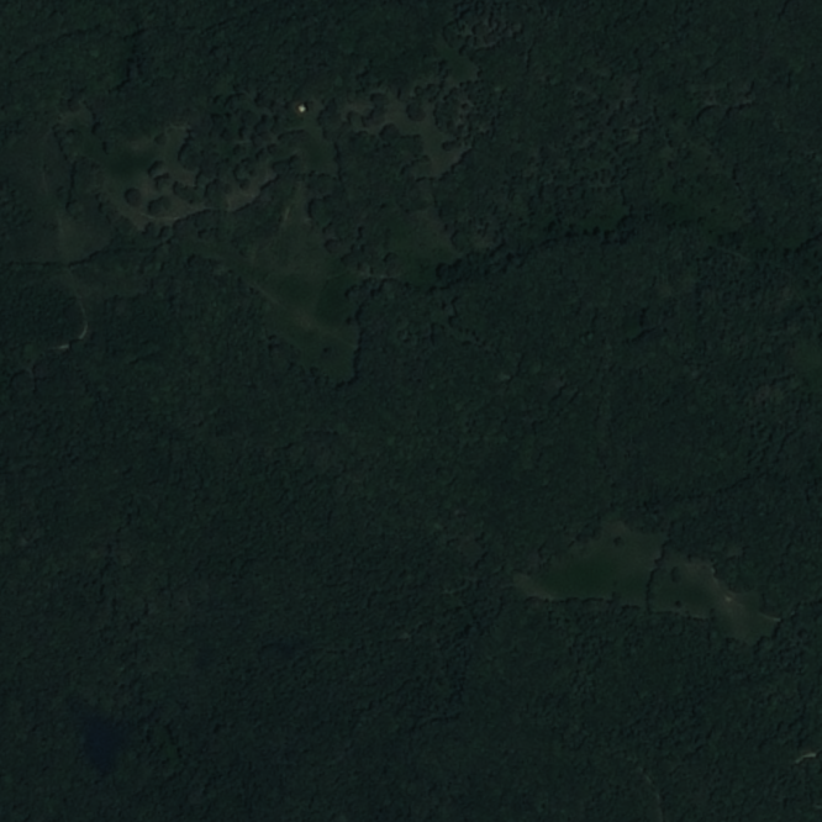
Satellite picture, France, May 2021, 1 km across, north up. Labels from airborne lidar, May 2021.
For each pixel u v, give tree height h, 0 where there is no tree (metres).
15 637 16
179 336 9
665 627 9
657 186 12
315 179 14
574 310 12
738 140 13
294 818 12
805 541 13
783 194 12
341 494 10
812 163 11
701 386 11
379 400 15
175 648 18
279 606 13
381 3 14
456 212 10
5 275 5
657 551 0
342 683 11
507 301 14
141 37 17
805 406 11
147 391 12
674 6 9
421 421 11
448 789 18
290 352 13
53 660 13
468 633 13
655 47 8
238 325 14
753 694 9
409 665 10
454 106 10
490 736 13
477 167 17
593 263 20
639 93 12
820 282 6
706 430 14
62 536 12
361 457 11
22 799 11
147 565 11
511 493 15
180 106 15
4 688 14
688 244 9
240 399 17
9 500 6
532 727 13
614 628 10
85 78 13
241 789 10
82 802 12
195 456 9
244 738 16
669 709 13
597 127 12
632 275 12
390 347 15
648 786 9
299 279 0
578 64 11
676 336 12
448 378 12
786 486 14
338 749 12
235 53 15
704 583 0
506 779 15
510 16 12
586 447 13
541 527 12
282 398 20
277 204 12
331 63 18
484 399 11
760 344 7
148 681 14
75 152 14
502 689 18
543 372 10
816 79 14
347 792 10
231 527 7
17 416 7
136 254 15
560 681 11
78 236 0
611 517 13
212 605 13
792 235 12
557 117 14
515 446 11
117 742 16
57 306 6
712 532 14
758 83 13
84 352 11
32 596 11
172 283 17
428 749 17
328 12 13
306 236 0
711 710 13
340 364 0
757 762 12
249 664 9
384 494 10
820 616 14
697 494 12
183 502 9
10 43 17
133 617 17
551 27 12
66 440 11
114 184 0
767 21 13
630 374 9
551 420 11
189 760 17
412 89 10
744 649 14
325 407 17
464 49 9
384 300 15
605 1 9
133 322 7
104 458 12
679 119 15
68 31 10
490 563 12
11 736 12
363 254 14
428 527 11
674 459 8
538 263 13
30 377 11
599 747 8
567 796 12
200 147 13
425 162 10
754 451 6
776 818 9
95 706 14
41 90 12
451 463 11
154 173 10
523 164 13
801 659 10
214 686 16
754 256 7
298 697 11
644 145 13
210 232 12
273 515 9
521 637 15
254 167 14
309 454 12
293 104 11
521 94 15
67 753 18
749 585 12
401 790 16
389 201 14
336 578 7
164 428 8
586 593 0
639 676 10
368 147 15
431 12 17
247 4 15
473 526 12
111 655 17
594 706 11
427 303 13
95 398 6
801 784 10
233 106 16
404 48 13
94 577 19
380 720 15
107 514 17
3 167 0
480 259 17
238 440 9
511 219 14
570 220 20
